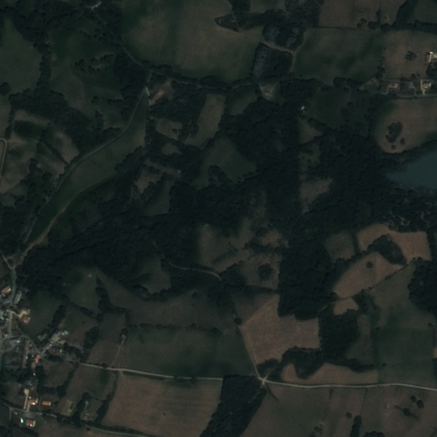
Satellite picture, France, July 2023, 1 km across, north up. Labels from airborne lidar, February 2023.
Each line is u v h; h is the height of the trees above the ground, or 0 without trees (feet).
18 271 37
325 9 0
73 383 0
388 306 0
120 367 0
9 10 71
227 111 26
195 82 46
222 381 0
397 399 0
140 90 41
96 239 67
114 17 40
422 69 0
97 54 0
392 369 0
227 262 0
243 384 57
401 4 0
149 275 19
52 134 0
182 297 0
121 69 48
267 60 50
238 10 22
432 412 0
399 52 0
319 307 52
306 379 0
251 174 28
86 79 0
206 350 0
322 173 34
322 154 28
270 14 40
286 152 32
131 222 41
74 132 29
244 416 43
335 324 22
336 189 23
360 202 65
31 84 0
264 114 19
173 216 51
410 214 39
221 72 0
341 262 49
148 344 0
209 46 0
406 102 0
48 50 63
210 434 30
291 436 0
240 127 27
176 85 44
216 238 0
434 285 58
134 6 0
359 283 0
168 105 26
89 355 0
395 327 0
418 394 0
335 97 0
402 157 33
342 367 0
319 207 32
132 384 0
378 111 31
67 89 0
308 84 68
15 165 0
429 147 34
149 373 0
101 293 52
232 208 42
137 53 0
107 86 0
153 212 0
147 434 0
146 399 0
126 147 0
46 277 40
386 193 44
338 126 0
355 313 43
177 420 0
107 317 0
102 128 62
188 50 0
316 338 0
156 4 0
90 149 20
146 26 0
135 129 0
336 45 0
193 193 64
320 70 0
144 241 46
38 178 0
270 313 0
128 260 54
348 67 0
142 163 39
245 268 0
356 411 0
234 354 0
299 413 0
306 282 73
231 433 21
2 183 0
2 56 0
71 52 0
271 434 0
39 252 65
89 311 30
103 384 0
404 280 0
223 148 0
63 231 0
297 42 30
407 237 0
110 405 0
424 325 0
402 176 0
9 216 41
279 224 34
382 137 0
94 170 0
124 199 24
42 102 31
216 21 24
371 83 0
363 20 30
